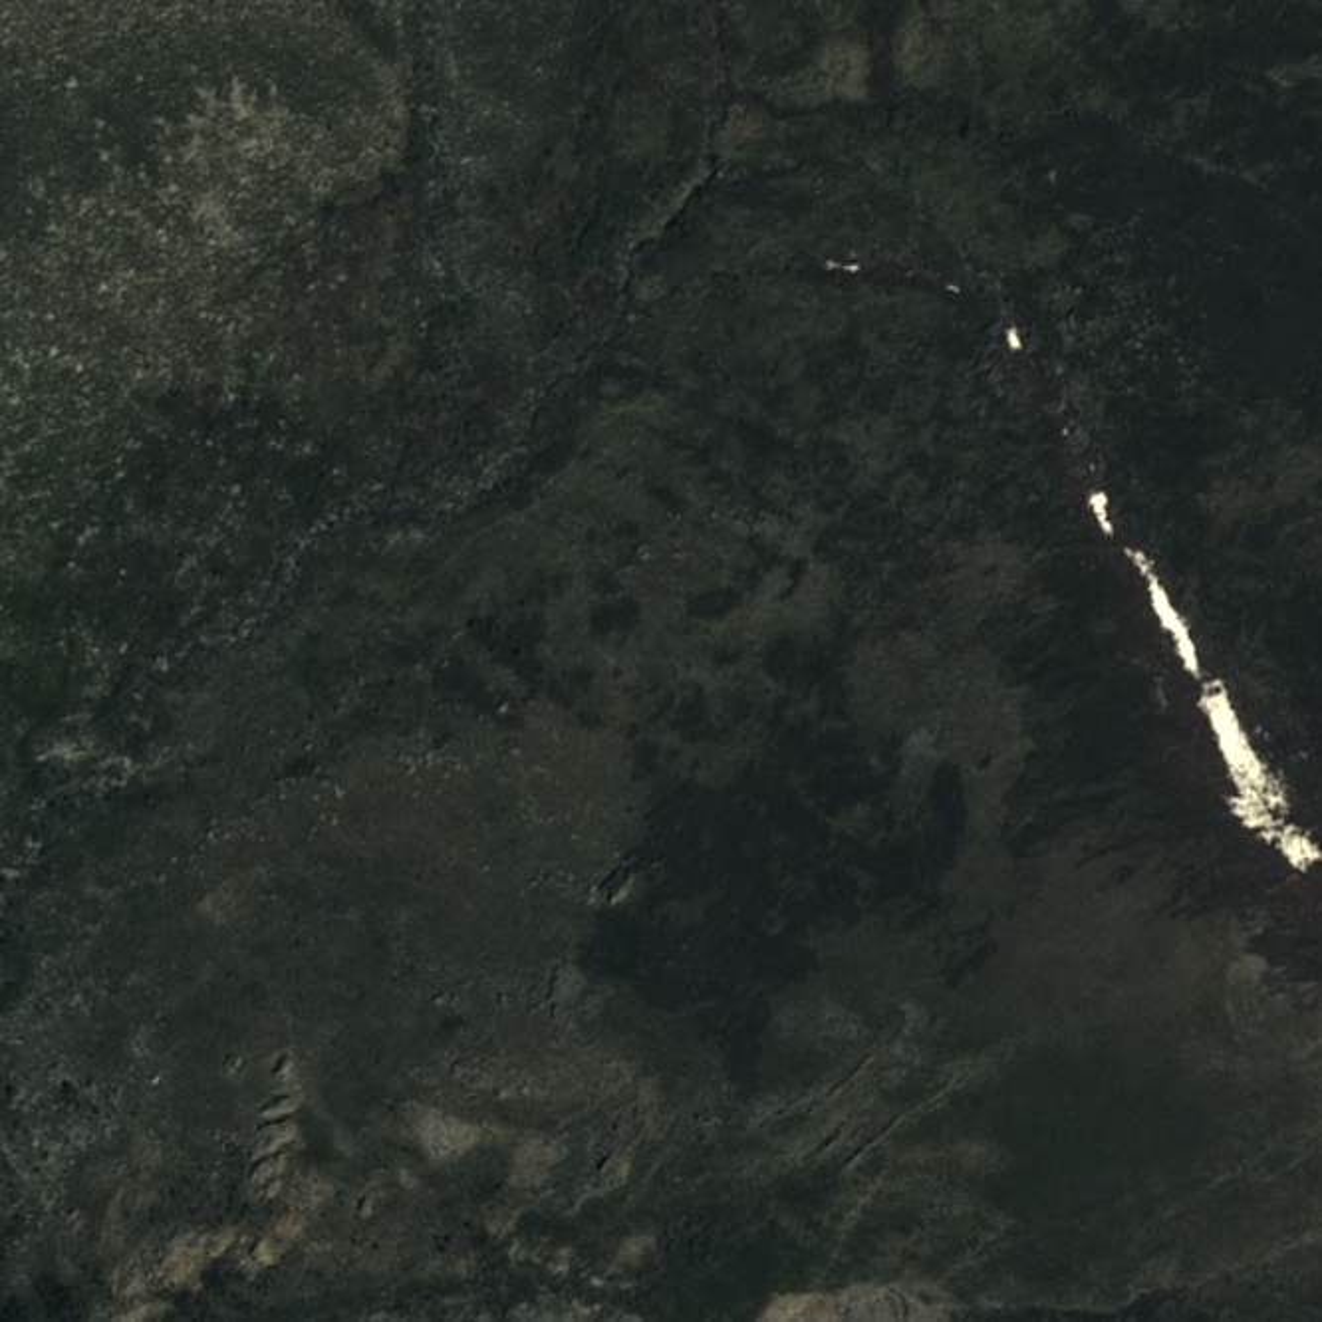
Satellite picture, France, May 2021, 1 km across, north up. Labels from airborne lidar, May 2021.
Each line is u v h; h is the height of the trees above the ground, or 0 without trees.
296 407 0
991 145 0
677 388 0
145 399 0
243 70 0
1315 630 0
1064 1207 0
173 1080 0
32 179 0
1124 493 0
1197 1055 0
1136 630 0
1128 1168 0
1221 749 0
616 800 0
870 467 0
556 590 0
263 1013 0
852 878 0
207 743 0
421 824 0
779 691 0
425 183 6
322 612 0
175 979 0
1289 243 0
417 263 0
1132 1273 0
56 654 0
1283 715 0
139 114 0
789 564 0
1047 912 0
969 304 0
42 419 0
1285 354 0
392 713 0
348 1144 0
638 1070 0
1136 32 0
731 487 0
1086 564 0
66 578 0
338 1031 0
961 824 0
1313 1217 0
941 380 0
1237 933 0
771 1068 0
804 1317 0
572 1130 0
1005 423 0
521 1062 0
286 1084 0
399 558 0
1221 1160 0
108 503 0
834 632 0
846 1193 0
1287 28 0
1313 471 0
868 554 0
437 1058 0
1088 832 0
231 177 0
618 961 0
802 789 0
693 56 9
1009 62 0
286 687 0
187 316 0
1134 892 0
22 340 0
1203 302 0
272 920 0
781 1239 0
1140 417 0
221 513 0
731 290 0
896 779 0
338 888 0
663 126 0
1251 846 0
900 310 0
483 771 0
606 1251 0
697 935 0
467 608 0
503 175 0
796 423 0
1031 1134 0
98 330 0
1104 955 0
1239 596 0
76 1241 0
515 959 0
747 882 0
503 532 0
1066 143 0
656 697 0
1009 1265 0
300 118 0
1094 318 0
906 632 0
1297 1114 0
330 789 0
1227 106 0
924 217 0
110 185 0
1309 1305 0
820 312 0
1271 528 0
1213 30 0
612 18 6
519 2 0
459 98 0
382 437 0
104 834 0
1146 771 0
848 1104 0
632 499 0
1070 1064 0
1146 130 0
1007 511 0
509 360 0
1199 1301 0
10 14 0
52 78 0
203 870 0
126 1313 0
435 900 0
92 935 0
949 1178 0
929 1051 0
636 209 0
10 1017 0
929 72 0
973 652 0
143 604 0
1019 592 0
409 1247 0
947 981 0
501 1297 0
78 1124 0
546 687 0
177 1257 0
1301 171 0
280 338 0
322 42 0
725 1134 0
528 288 0
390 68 0
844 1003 0
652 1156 0
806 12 0
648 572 0
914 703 0
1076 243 0
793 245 0
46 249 0
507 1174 0
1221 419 0
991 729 0
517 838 0
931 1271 0
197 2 0
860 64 0
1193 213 0
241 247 0
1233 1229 0
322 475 6
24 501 0
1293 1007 0
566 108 0
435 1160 0
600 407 0
